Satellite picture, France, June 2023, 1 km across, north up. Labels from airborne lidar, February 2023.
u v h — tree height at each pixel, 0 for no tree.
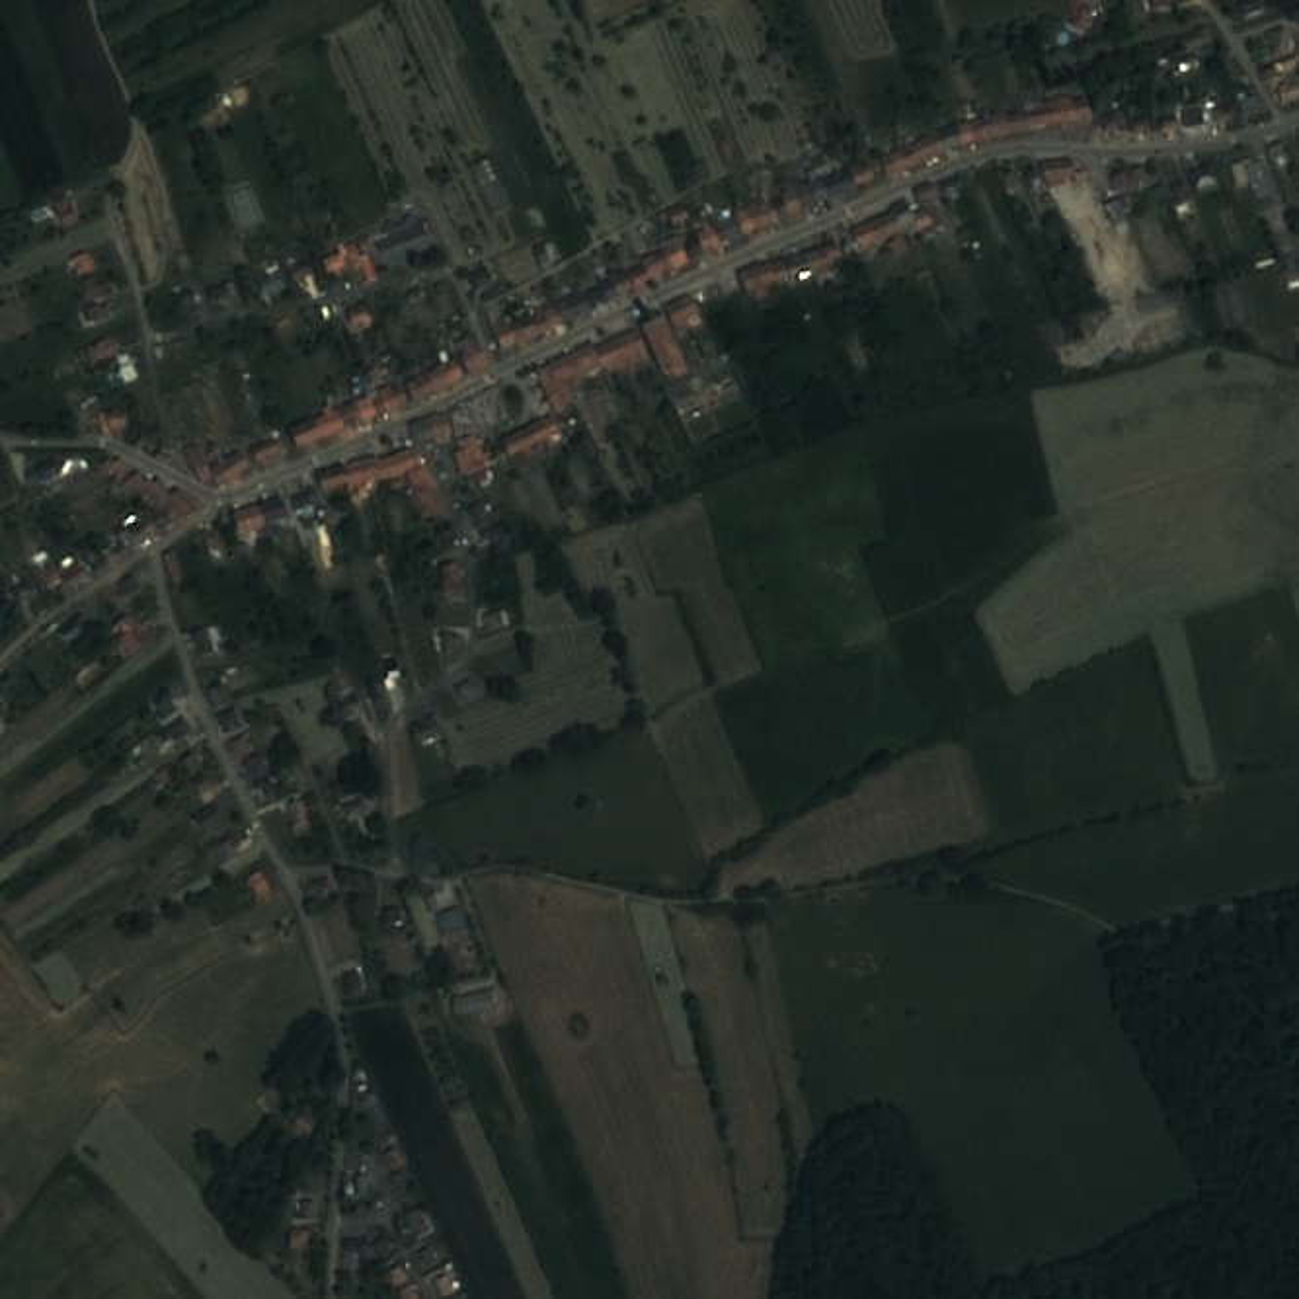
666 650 0
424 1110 0
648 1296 0
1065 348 0
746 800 0
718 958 0
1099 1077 0
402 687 0
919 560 0
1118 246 0
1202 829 0
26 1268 0
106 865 0
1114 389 0
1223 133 0
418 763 0
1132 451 0
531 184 0
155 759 0
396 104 0
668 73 0
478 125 0
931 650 0
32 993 0
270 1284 0
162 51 7
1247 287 0
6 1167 0
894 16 6
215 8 8
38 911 0
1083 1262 15
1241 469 0
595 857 0
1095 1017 0
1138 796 0
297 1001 0
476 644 0
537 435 0
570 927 0
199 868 0
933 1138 0
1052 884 0
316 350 10
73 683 0
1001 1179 0
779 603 0
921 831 0
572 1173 0
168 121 9
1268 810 0
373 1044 0
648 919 0
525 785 0
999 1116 0
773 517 0
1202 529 0
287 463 0
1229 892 0
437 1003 0
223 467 0
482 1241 0
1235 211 0
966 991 0
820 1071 0
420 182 0
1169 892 0
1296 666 0
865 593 0
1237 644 0
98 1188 0
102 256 0
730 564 0
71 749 0
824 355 0
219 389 0
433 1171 0
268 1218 15
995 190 0
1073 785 0
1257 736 0
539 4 0
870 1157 21
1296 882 0
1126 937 16
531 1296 0
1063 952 0
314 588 0
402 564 6
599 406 0
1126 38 6
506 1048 0
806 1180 12
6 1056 0
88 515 0
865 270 6
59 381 0
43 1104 0
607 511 10
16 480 0
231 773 0
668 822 0
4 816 0
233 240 0
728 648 0
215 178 12
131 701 0
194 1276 0
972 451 0
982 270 0
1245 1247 29
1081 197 0
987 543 0
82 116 0
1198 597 0
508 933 0
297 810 0
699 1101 0
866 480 0
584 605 7
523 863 8
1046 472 0
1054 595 0
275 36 0
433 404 0
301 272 0
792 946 0
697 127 0
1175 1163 0
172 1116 0
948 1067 0
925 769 0
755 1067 0
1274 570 0
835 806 0
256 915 0
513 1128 0
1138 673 0
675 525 0
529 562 0
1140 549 0
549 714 0
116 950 0
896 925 0
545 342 0
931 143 0
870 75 0
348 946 0
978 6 0
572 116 0
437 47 0
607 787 0
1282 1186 23
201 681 0
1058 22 7
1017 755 0
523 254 0
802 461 0
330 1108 13
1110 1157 0
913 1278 28
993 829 0
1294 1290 28
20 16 0
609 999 0
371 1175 0
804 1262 24
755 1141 0
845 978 0
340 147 0
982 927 0
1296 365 0
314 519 0
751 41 0
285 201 0
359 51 0
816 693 0
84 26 0
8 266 8
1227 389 0
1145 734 0
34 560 0
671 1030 0
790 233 0
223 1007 0
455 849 0
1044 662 0
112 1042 0
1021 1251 0
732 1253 0
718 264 0
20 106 0
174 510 0
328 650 9
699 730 0
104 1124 0
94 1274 0
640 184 0
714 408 0
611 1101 0
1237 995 27
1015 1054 0
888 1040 0
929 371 0
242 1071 0
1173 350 0
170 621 0
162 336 0
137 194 0
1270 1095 24
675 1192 0
